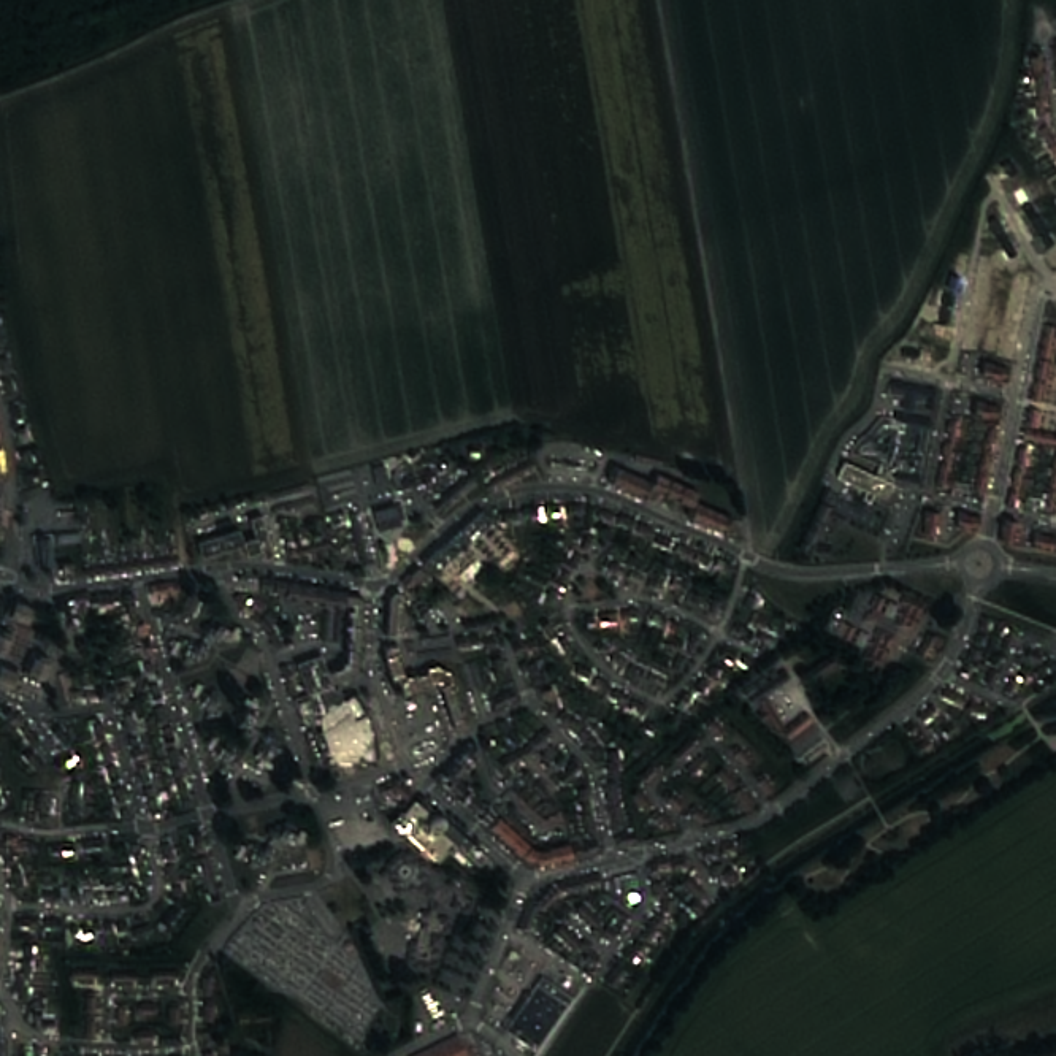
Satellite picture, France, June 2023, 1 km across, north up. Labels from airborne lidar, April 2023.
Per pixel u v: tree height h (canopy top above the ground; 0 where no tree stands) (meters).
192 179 0
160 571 0
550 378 0
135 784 0
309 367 0
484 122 0
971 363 0
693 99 0
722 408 0
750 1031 0
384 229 0
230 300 0
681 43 0
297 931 0
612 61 0
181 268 0
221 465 0
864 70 0
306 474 0
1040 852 0
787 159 0
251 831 0
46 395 0
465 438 8
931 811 11
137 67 0
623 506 0
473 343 0
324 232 0
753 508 0
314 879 0
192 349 0
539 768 0
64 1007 0
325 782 17
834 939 0
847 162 0
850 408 0
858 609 0
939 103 0
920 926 0
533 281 0
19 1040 0
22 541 0
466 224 0
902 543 0
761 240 0
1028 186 0
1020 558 0
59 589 0
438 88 0
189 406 0
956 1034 0
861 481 0
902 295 0
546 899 0
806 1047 0
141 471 0
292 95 0
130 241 0
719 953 15
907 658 0
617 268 0
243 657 0
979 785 12
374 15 0
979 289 0
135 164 0
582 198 0
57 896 0
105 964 0
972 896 0
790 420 0
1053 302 0
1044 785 0
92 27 6
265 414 0
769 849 0
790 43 0
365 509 0
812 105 0
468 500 0
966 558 0
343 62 0
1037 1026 0
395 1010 0
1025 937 0
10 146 0
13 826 0
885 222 0
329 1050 0
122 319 0
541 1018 0
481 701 0
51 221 0
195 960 0
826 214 0
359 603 0
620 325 0
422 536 0
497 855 0
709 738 0
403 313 0
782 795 0
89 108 0
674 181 0
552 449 0
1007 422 0
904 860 11
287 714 0
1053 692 0
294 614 0
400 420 0
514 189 0
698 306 0
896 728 6
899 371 0
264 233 0
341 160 0
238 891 0
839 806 0
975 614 0
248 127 0
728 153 0
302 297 0
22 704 0
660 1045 13
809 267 0
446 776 0
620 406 0
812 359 0
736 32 0
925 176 0
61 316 0
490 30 0
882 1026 0
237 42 0
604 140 0
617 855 0
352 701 0
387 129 0
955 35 0
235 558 0
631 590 0
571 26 0
